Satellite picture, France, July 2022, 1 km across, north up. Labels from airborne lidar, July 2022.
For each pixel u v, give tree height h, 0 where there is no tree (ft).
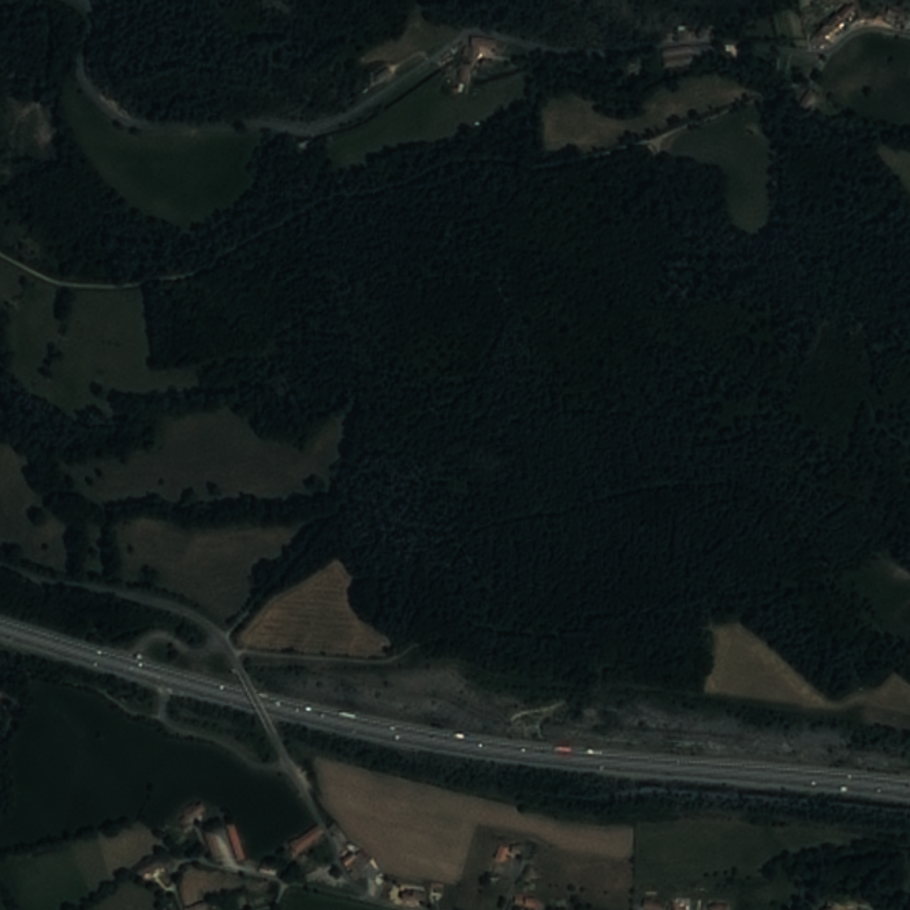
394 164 54
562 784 26
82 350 0
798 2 29
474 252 37
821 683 44
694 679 46
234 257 28
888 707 0
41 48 70
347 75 20
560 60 86
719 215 72
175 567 0
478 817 0
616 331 22
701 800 19
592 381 24
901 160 0
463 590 44
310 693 0
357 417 71
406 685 0
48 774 0
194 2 95
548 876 0
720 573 62
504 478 28
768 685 0
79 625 54
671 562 32
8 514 0
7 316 44
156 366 59
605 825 0
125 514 59
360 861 0
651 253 29
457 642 50
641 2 34
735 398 39
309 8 54
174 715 36
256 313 41
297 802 0
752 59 82
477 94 0
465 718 0
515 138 65
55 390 0
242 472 0
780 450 32
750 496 27
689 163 57
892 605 0
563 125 0
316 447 0
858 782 0
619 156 31
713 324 0
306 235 44
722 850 0
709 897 0
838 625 31
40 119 0
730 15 45
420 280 31
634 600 33
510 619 28
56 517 44
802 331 69
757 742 0
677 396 36
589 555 36
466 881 0
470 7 114
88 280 21
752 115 0
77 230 57
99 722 0
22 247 33
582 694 25
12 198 24
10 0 30
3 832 0
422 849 0
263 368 39
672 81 65
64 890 0
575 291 42
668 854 0
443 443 32
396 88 0
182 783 0
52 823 0
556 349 30
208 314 35
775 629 58
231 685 0
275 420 80
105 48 47
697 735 0
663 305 31
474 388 39
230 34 85
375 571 60
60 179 74
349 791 0
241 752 0
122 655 0
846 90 0
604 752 0
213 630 0
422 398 37
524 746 0
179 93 22
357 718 0
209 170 0
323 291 26
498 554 46
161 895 40
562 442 50
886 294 52
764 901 0
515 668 53
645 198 62
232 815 31
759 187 0
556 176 39
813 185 29
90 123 0
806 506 35
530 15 92
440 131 0
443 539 50
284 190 65
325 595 0
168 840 42
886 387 28
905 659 53
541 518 47
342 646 0
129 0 76
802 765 0
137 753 0
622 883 0
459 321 22
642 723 24
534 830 0
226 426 0
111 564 71
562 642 48
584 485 28
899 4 23
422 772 20
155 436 57
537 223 23
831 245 42
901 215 73
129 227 94
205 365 25
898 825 32
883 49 0
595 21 45
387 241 32
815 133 98
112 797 0
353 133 0
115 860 0
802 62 0
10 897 31
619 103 58
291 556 62
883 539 38
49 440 79
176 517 72
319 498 45
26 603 62
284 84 40
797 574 36
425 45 0
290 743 27
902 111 0
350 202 38
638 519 49
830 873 69
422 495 20
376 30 22
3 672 62
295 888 0
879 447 40
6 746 64
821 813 34
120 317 0
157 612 19
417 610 45
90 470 0
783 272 78
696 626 58
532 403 39
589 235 29
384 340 25
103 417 78
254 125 0
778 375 22
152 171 0
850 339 30
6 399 56
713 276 64
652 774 0
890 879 79
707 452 44
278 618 0
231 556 0
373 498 66
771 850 0
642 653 52
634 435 39
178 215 0
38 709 0
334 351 40
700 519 35
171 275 22
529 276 43
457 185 50
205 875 0
